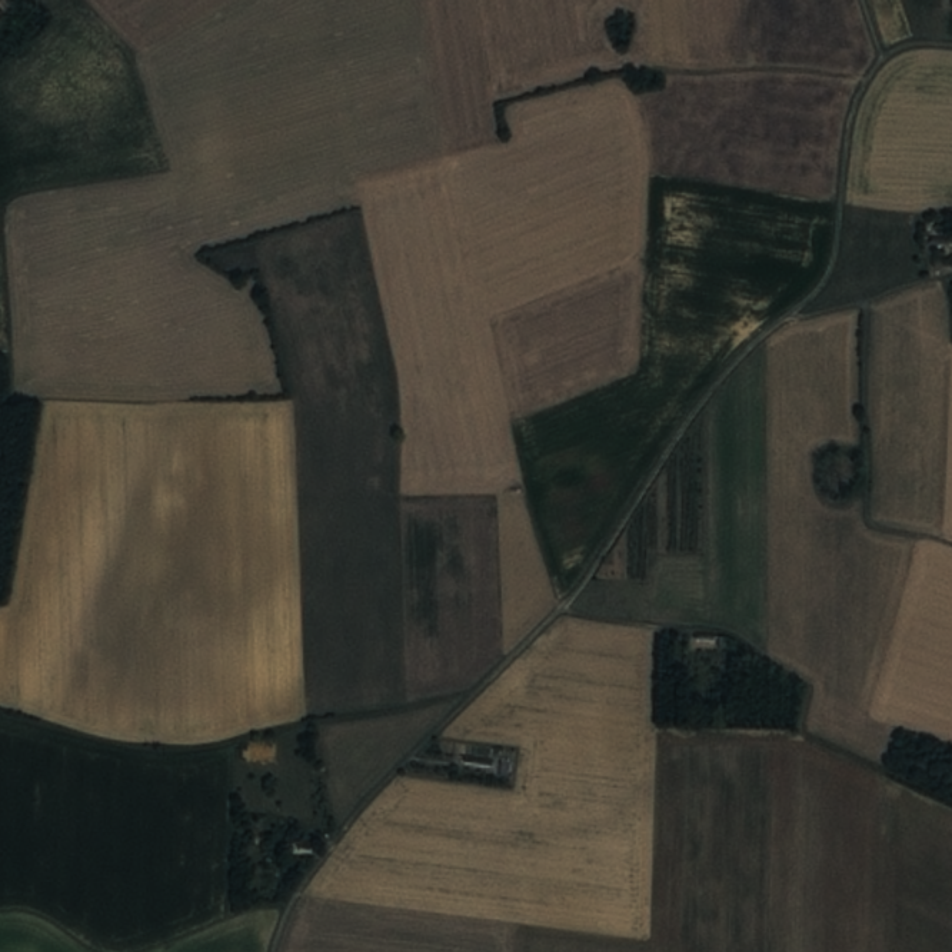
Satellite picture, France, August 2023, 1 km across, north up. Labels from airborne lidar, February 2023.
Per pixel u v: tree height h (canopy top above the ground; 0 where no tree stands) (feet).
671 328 0
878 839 0
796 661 0
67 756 0
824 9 0
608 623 0
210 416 0
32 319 0
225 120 0
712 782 0
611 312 0
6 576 59
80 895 0
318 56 0
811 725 0
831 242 0
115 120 0
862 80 0
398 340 0
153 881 0
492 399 0
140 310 0
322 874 0
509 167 0
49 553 0
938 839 0
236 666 0
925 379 0
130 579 0
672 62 0
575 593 0
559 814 0
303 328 0
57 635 0
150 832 0
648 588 0
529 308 0
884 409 0
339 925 0
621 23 36
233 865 24
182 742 0
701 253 0
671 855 0
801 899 0
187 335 0
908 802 0
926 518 0
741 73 0
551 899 0
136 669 0
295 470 0
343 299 0
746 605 0
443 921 0
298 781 0
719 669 22
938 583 0
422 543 0
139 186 0
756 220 0
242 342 0
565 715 0
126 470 0
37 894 0
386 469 0
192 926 0
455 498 0
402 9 0
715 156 0
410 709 0
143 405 0
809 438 0
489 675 0
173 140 0
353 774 0
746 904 0
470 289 0
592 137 0
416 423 0
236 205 0
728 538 0
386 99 0
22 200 0
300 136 0
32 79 0
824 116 0
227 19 0
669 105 0
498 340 0
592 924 0
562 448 0
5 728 0
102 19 0
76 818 0
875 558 0
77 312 0
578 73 0
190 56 0
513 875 0
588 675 0
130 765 0
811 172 0
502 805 0
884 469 0
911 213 0
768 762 0
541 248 0
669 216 0
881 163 0
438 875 0
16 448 64
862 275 0
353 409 0
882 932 0
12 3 70
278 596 0
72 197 0
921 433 0
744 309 0
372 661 0
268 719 0
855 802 0
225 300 0
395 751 0
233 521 0
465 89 0
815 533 0
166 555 0
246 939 0
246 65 0
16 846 0
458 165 0
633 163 0
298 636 0
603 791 0
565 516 0
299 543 0
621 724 0
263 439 0
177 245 0
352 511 0
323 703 0
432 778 0
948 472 0
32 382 0
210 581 0
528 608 0
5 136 0
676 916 0
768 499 0
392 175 0
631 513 0
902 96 0
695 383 0
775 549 0
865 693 0
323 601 0
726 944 0
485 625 0
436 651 0
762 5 0
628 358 0
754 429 0
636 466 0
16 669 0
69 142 0
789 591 0
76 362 0
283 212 0
